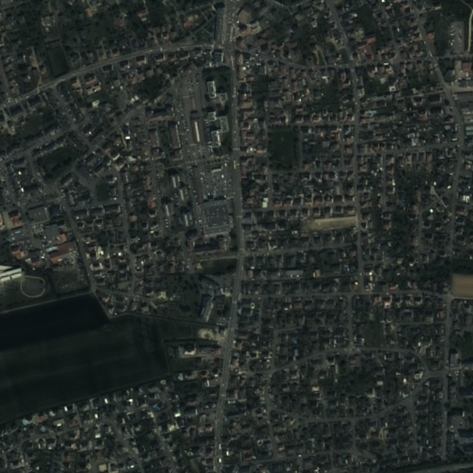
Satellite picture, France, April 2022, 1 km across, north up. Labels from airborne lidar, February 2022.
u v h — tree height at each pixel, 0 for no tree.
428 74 0
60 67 0
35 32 10
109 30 6
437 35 0
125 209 0
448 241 6
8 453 0
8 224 0
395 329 0
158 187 0
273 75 0
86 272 10
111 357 0
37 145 0
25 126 0
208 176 0
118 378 0
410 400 0
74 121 0
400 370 0
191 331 0
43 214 0
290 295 0
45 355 0
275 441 0
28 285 0
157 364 0
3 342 0
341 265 0
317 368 0
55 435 0
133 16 17
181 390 10
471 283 0
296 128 8
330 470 0
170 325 0
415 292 0
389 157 0
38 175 0
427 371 0
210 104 0
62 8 0
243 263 0
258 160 0
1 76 0
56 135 0
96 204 0
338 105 0
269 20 0
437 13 0
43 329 0
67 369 0
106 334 0
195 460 0
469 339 19
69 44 0
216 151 9
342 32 0
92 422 0
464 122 0
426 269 13
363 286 0
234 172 0
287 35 0
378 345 0
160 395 0
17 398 0
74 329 0
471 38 0
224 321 0
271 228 0
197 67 6
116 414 0
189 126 0
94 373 0
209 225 0
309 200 0
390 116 0
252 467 8
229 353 0
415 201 0
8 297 0
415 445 0
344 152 0
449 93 0
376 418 0
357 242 0
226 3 0
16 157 0
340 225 0
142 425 8
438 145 0
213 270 0
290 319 0
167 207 0
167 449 0
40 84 0
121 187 0
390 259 0
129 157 0
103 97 0
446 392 0
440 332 0
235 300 0
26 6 8
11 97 0
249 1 0
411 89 9
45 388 0
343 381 10
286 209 0
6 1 0
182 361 0
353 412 6
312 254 10
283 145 0
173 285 0
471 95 0
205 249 0
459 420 0
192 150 0
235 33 0
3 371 0
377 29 0
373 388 0
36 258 0
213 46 0
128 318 0
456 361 0
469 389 0
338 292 0
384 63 0
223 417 0
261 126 0
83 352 0
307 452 0
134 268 0
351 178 0
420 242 0
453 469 0
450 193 0
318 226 0
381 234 0
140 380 0
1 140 0
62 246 0
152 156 0
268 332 0
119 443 0
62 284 0
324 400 0
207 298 0
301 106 0
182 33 9
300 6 0
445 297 0
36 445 0
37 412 6
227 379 0
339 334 0
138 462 0
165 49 0
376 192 13
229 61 0
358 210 0
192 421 9
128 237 0
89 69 0
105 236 12
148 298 0
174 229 10
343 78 0
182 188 0
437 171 7
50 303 0
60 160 0
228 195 0
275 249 0
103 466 0
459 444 8
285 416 0
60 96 0
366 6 0
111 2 0
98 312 0
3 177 0
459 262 0
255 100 0
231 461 0
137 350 0
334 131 0
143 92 10
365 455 0
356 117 0
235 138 0
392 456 6
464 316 0
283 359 0
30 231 0
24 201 0
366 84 7
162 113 0
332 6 0
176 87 0
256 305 0
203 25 7
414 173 0
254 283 0
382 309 0
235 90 0
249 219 0
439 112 0
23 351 0
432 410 0
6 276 0
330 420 0
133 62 0
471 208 0
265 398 0
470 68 0
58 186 0
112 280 0
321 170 0
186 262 0
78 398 0
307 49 9
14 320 0
